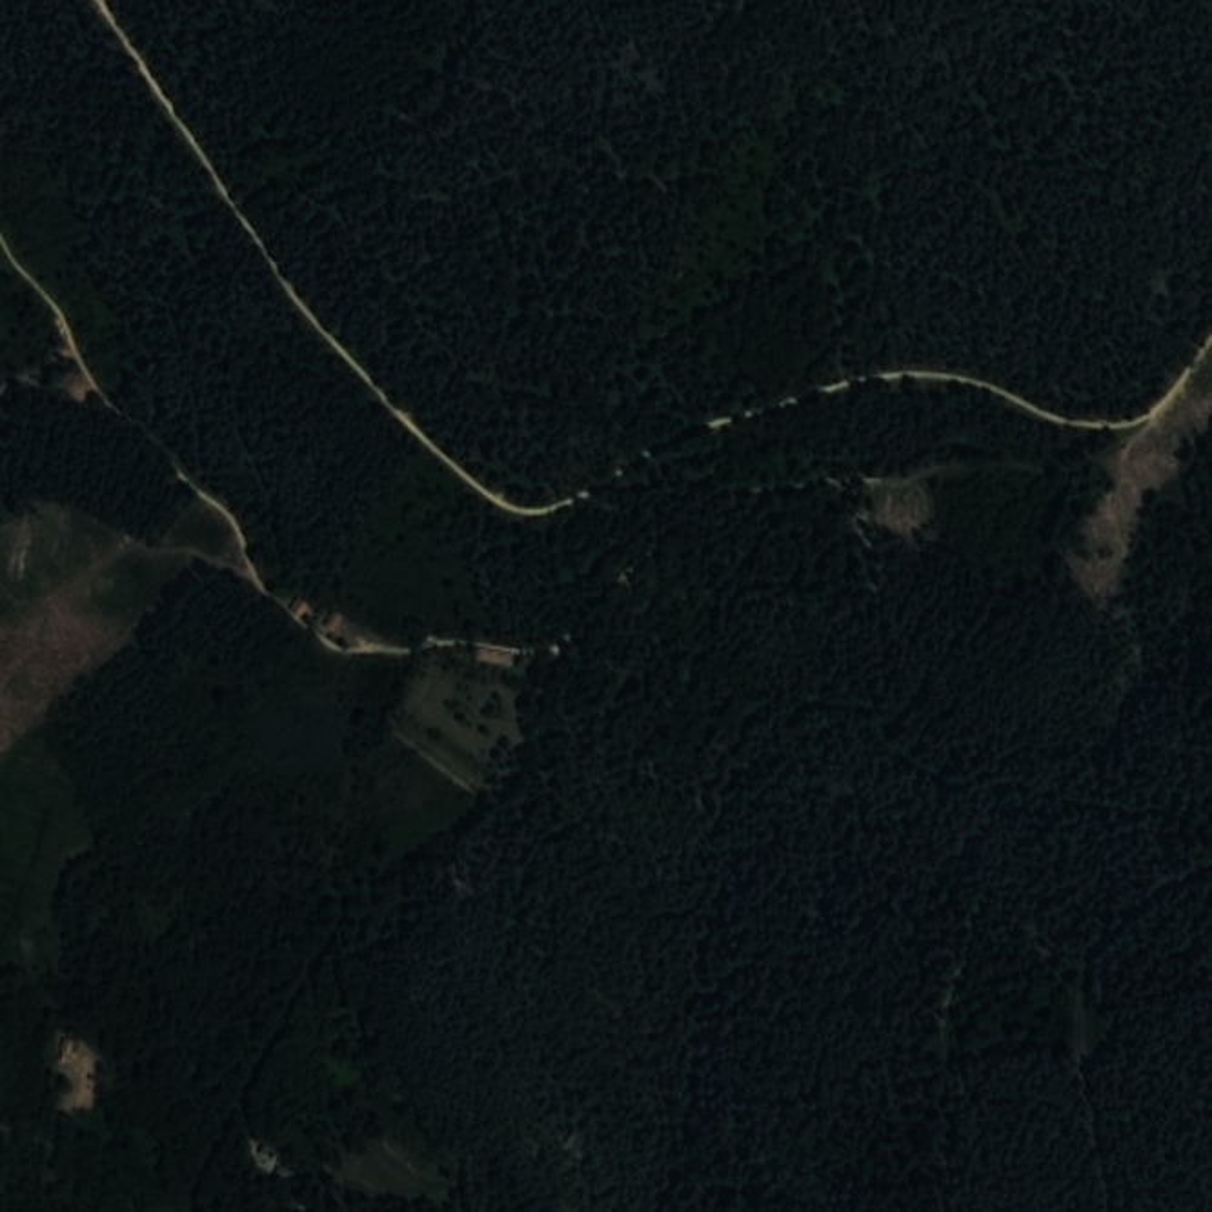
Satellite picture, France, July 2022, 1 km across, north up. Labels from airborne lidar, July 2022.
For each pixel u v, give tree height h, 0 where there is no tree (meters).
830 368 21
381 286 22
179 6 27
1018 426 27
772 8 16
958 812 28
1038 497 6
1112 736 11
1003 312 23
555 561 19
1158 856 15
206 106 18
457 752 0
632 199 14
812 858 27
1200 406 0
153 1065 23
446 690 0
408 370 16
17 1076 22
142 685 9
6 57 22
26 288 7
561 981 19
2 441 19
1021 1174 25
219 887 8
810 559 17
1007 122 13
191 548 0
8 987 21
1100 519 0
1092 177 22
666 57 11
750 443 12
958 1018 16
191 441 23
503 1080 19
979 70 17
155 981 21
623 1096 30
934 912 17
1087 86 20
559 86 14
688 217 15
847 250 19
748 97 14
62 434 27
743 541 26
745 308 20
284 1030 12
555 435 18
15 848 0
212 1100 24
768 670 29
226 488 18
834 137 18
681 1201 28
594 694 26
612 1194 24
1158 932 25
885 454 28
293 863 21
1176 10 19
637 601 13
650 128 19
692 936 37
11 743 0
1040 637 20
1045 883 26
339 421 15
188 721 6
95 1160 19
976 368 7
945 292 23
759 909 28
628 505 21
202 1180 22
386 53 16
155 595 0
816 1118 23
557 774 21
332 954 15
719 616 33
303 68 17
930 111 23
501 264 14
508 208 11
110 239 20
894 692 23
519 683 18
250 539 13
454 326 17
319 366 11
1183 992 25
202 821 13
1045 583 10
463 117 26
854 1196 24
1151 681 21
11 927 0
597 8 12
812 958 34
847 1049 31
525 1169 24
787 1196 14
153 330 24
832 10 19
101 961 10
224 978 19
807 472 23
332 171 15
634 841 26
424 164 24
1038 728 21
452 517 7
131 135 20
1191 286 22
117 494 30
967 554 25
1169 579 20
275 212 15
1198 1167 25
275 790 6
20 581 0
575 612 12
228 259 25
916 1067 26
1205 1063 23
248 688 12
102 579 0
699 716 29
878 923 29
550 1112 23
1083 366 23
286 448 23
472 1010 18
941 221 35
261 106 17
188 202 18
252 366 12
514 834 23
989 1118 24
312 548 18
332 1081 15
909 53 17
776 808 22
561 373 15
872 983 27
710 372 16
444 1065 24
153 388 13
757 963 31
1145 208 19
